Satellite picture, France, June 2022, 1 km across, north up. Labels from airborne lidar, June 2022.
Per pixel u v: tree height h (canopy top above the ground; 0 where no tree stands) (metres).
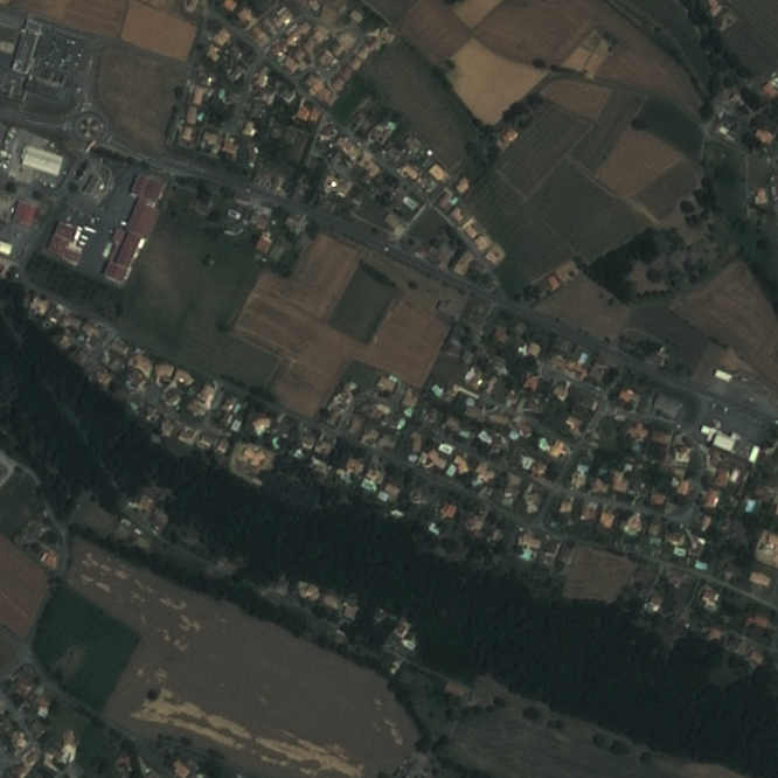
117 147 0
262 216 0
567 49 0
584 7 0
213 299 0
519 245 0
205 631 0
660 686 11
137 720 0
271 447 16
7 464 0
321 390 0
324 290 0
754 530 9
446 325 0
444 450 0
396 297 0
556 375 0
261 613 17
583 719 10
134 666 0
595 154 0
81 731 0
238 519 16
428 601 14
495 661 16
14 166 0
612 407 0
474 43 0
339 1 0
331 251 0
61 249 0
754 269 7
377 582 20
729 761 12
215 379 0
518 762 0
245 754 0
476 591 18
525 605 19
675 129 0
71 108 0
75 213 0
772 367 0
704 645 15
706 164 9
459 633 13
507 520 7
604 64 0
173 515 17
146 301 0
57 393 12
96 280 6
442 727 0
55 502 15
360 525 18
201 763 7
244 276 0
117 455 19
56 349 14
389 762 0
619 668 13
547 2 0
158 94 0
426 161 0
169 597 0
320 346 0
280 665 0
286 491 19
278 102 7
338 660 0
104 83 0
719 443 0
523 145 0
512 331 9
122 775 0
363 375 0
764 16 0
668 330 0
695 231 0
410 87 0
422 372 0
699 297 0
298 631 15
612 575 0
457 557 0
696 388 0
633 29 0
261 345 0
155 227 0
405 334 0
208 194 8
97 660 0
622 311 0
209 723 0
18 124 0
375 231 8
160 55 0
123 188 0
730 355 0
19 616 0
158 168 0
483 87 0
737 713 13
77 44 0
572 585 0
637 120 13
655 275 15
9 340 17
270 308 0
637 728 16
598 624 7
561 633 20
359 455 7
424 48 0
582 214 0
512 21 0
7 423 17
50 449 15
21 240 0
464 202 0
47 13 0
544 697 11
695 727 18
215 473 12
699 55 0
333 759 0
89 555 0
